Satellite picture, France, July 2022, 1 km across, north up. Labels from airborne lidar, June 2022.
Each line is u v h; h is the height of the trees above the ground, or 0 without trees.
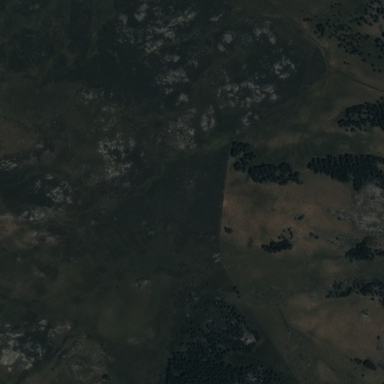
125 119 0
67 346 0
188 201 0
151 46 0
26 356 0
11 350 0
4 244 0
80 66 0
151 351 0
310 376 0
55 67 0
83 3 0
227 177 0
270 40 0
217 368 15
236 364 0
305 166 0
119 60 0
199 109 0
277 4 0
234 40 0
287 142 0
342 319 0
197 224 0
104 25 0
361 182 12
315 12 0
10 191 0
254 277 0
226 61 0
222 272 0
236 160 0
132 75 0
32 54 0
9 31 0
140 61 0
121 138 0
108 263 0
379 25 0
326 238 0
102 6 0
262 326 0
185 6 0
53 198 0
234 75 0
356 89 0
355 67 0
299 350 0
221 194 0
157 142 0
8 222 0
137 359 0
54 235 0
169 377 18
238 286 0
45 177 0
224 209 0
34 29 0
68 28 0
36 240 0
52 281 0
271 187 0
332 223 0
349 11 0
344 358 0
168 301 0
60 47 0
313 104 0
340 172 19
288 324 0
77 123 0
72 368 0
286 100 0
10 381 0
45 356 0
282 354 0
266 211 0
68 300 0
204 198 0
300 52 0
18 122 0
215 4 0
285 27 0
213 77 0
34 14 0
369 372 0
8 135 0
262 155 0
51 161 0
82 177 0
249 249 0
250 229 0
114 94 0
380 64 0
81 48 0
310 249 0
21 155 0
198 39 0
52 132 0
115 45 0
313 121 0
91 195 0
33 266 0
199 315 0
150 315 0
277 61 0
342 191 0
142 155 0
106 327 0
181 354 14
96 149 0
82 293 0
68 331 0
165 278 0
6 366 0
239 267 0
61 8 0
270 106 0
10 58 0
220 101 0
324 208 0
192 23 0
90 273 0
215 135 0
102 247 0
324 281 0
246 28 0
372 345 0
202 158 0
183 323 0
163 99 0
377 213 0
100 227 0
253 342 13
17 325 0
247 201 0
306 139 0
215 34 0
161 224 0
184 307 0
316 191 0
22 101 0
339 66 0
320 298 0
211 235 0
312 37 0
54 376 0
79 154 0
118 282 0
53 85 0
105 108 0
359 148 0
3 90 0
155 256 0
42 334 0
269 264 0
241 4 0
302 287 0
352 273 0
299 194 0
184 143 0
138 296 0
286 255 0
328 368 0
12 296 0
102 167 0
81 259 0
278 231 0
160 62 0
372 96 0
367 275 0
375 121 15
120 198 0
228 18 0
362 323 0
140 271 0
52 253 0
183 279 0
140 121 0
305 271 0
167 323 0
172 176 0
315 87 0
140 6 0
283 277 0
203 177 0
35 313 0
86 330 0
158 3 0
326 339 0
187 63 0
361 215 0
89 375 0
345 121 15
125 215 0
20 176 0
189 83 0
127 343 0
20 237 0
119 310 0
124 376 0
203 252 0
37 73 0
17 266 0
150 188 0
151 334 0
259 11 0
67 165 0
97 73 0
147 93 0
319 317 0
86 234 0
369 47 0
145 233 0
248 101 0
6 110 0
